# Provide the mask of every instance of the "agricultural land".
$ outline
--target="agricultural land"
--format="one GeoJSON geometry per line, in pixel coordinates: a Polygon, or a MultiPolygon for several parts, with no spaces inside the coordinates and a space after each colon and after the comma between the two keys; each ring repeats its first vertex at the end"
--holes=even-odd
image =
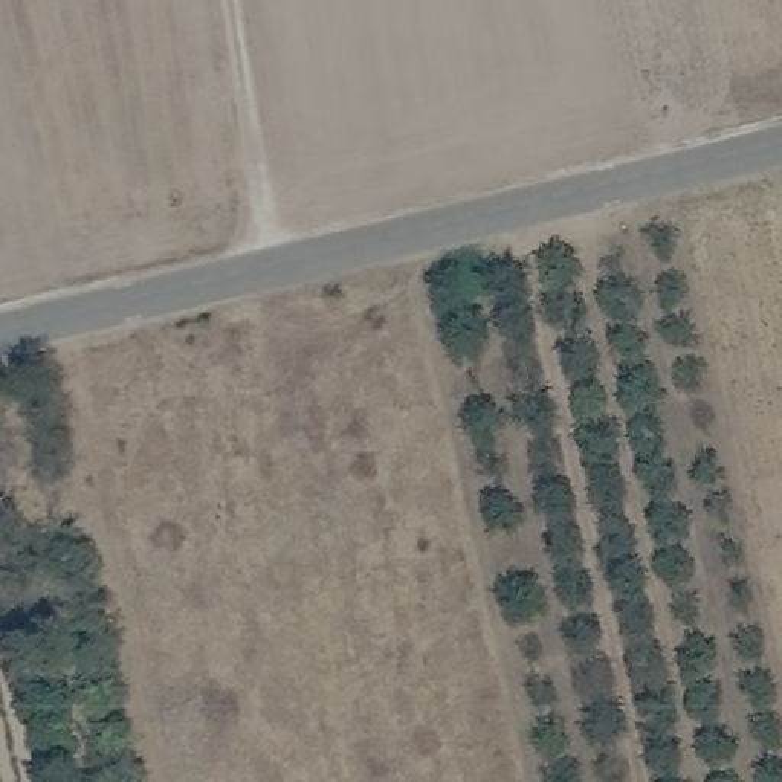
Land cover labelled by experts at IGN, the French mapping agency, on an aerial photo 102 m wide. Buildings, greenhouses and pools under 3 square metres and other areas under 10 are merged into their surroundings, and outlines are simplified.
{"type": "Polygon", "coordinates": [[[247,177],[238,165],[238,101],[229,79],[220,0],[0,0],[0,315],[107,287],[128,287],[134,281],[150,281],[229,260],[229,244],[247,235],[250,205],[247,177]]]}
{"type": "Polygon", "coordinates": [[[776,550],[761,550],[755,559],[745,556],[748,583],[758,580],[776,590],[776,599],[767,605],[770,620],[761,626],[764,629],[773,620],[782,626],[782,544],[776,550]]]}
{"type": "Polygon", "coordinates": [[[544,675],[556,687],[571,681],[568,645],[559,654],[541,654],[541,641],[535,632],[519,638],[510,623],[504,620],[501,605],[495,599],[495,583],[483,574],[477,559],[477,535],[486,528],[483,513],[467,510],[461,492],[455,434],[461,428],[461,425],[443,440],[434,431],[434,425],[443,425],[452,415],[440,391],[443,379],[437,370],[449,357],[437,333],[437,318],[431,312],[425,275],[409,284],[394,284],[391,290],[324,284],[324,296],[299,296],[275,309],[247,302],[241,296],[196,302],[186,309],[147,318],[125,318],[113,327],[55,339],[52,351],[61,364],[61,385],[70,394],[67,425],[73,437],[73,467],[61,480],[61,510],[73,516],[76,528],[89,535],[101,553],[107,614],[119,617],[119,672],[128,684],[125,715],[131,721],[131,745],[147,767],[147,782],[541,782],[541,755],[535,751],[528,736],[535,721],[532,706],[525,693],[528,675],[544,675]]]}
{"type": "Polygon", "coordinates": [[[278,223],[284,229],[293,229],[299,241],[357,226],[388,223],[473,199],[489,199],[574,174],[611,171],[654,156],[684,153],[693,147],[709,147],[782,125],[782,0],[241,0],[260,104],[260,125],[275,180],[275,211],[278,223]]]}
{"type": "Polygon", "coordinates": [[[742,428],[748,470],[773,470],[770,480],[758,483],[761,525],[764,532],[782,532],[782,165],[663,192],[675,205],[675,211],[684,211],[690,205],[687,235],[693,241],[696,272],[687,281],[687,287],[706,296],[706,305],[690,318],[696,336],[709,333],[715,339],[715,354],[706,360],[703,373],[721,388],[721,406],[715,409],[715,415],[724,409],[730,428],[742,428]]]}

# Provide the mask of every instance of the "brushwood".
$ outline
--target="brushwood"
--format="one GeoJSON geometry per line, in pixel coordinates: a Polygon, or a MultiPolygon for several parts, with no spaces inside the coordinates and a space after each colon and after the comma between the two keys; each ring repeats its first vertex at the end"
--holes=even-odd
{"type": "Polygon", "coordinates": [[[0,782],[31,782],[27,733],[15,715],[6,672],[0,669],[0,782]]]}

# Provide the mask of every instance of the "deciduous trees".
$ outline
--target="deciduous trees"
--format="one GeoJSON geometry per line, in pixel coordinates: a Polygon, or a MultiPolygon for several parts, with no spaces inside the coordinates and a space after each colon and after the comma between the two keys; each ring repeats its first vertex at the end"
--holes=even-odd
{"type": "Polygon", "coordinates": [[[761,626],[739,626],[736,632],[730,632],[736,654],[758,657],[764,651],[764,629],[761,626]]]}
{"type": "Polygon", "coordinates": [[[541,782],[580,782],[577,761],[568,755],[562,715],[547,715],[535,721],[528,736],[535,751],[541,755],[541,782]]]}
{"type": "Polygon", "coordinates": [[[507,461],[495,452],[495,431],[513,422],[528,425],[528,470],[535,480],[532,498],[535,510],[547,516],[544,547],[553,559],[556,593],[562,605],[587,602],[593,596],[590,574],[580,562],[583,556],[580,528],[574,519],[574,495],[568,477],[562,473],[562,452],[553,434],[556,406],[547,394],[541,360],[535,351],[525,269],[522,260],[516,260],[513,254],[480,254],[473,247],[461,247],[431,263],[425,275],[431,312],[437,318],[437,333],[449,357],[477,357],[483,354],[489,336],[504,336],[510,394],[498,400],[492,400],[492,394],[470,394],[461,403],[461,425],[461,428],[473,443],[480,470],[492,473],[507,461]]]}
{"type": "Polygon", "coordinates": [[[715,519],[727,519],[733,504],[730,489],[709,489],[703,507],[715,519]]]}
{"type": "Polygon", "coordinates": [[[486,507],[483,513],[486,528],[516,528],[522,522],[522,504],[513,495],[492,498],[492,507],[486,507]]]}
{"type": "Polygon", "coordinates": [[[669,257],[675,244],[672,226],[645,223],[641,232],[651,241],[654,254],[669,257]]]}
{"type": "Polygon", "coordinates": [[[715,449],[700,449],[690,461],[693,483],[718,480],[727,473],[715,449]]]}
{"type": "Polygon", "coordinates": [[[24,336],[9,348],[9,357],[0,360],[0,455],[12,452],[15,440],[24,434],[31,443],[31,477],[37,480],[37,486],[61,480],[73,467],[73,437],[67,425],[70,394],[61,385],[61,364],[52,351],[46,351],[40,339],[24,336]]]}
{"type": "Polygon", "coordinates": [[[623,663],[638,706],[638,733],[651,782],[684,782],[678,776],[681,758],[675,736],[672,687],[663,663],[663,648],[654,635],[654,611],[645,596],[645,577],[635,556],[635,532],[623,513],[617,437],[605,415],[605,388],[596,379],[599,354],[583,321],[583,299],[577,290],[580,260],[568,241],[550,238],[535,250],[541,266],[544,318],[556,330],[559,364],[568,379],[574,443],[580,449],[580,464],[587,470],[590,504],[599,513],[596,559],[605,568],[614,596],[614,614],[623,635],[623,663]]]}
{"type": "Polygon", "coordinates": [[[696,336],[690,318],[675,315],[675,302],[687,293],[687,287],[687,281],[681,272],[657,275],[657,324],[669,345],[690,345],[696,336]]]}
{"type": "Polygon", "coordinates": [[[525,693],[532,706],[553,703],[556,687],[544,675],[528,675],[525,693]]]}
{"type": "Polygon", "coordinates": [[[696,721],[693,745],[703,761],[733,758],[736,736],[727,733],[727,727],[718,721],[721,684],[712,678],[715,638],[700,632],[696,620],[696,590],[690,580],[693,559],[684,550],[690,516],[684,504],[672,501],[669,495],[675,486],[675,464],[663,452],[666,440],[657,406],[663,400],[663,388],[657,382],[654,364],[645,357],[648,339],[638,327],[641,290],[635,278],[623,275],[623,247],[611,247],[599,260],[596,299],[608,315],[608,342],[617,351],[617,403],[626,409],[629,446],[635,455],[632,464],[648,492],[645,516],[654,538],[654,571],[669,587],[672,617],[684,623],[684,641],[678,645],[678,669],[684,678],[684,709],[696,721]]]}
{"type": "Polygon", "coordinates": [[[617,751],[617,736],[623,733],[623,712],[614,696],[611,660],[599,645],[599,617],[565,617],[562,638],[568,645],[571,681],[583,706],[580,730],[596,751],[593,773],[599,782],[623,782],[626,761],[617,751]]]}
{"type": "Polygon", "coordinates": [[[544,590],[535,577],[495,583],[495,599],[501,605],[504,620],[510,623],[522,623],[547,608],[544,590]]]}
{"type": "Polygon", "coordinates": [[[128,684],[119,672],[119,617],[107,614],[101,553],[89,535],[76,528],[73,535],[46,532],[40,522],[21,516],[15,498],[6,489],[0,489],[0,583],[24,583],[34,602],[49,599],[55,611],[52,617],[37,617],[24,629],[12,629],[9,635],[0,632],[0,669],[6,672],[15,715],[27,733],[31,782],[147,782],[147,767],[131,745],[131,721],[125,715],[128,684]],[[70,703],[86,706],[89,718],[86,767],[79,767],[70,751],[70,703]]]}
{"type": "Polygon", "coordinates": [[[739,672],[739,690],[751,703],[748,727],[751,736],[761,742],[761,758],[755,761],[755,782],[782,782],[782,681],[776,684],[770,669],[739,672]]]}
{"type": "Polygon", "coordinates": [[[672,364],[672,376],[681,391],[700,388],[703,373],[706,360],[675,357],[672,364]]]}

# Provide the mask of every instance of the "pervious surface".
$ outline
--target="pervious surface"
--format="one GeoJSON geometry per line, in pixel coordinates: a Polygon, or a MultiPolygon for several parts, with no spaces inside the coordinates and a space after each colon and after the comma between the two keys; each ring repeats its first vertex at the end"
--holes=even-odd
{"type": "Polygon", "coordinates": [[[260,125],[260,104],[241,0],[220,0],[229,79],[238,101],[238,165],[247,177],[250,205],[247,235],[229,244],[229,260],[299,241],[293,229],[284,229],[278,223],[275,211],[275,180],[260,125]]]}

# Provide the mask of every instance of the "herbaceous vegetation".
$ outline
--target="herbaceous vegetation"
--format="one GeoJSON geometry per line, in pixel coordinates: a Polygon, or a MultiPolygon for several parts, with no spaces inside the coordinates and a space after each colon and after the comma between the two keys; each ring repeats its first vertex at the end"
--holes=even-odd
{"type": "Polygon", "coordinates": [[[55,611],[49,599],[34,602],[24,583],[0,583],[0,632],[9,635],[12,629],[24,629],[37,617],[52,617],[55,611]]]}
{"type": "Polygon", "coordinates": [[[61,480],[37,486],[37,480],[31,477],[31,443],[24,434],[15,440],[12,452],[0,455],[0,489],[6,489],[15,498],[21,516],[40,522],[46,532],[73,535],[76,528],[73,516],[61,510],[61,480]]]}
{"type": "Polygon", "coordinates": [[[687,287],[687,293],[675,302],[675,315],[690,318],[706,305],[706,296],[687,287]]]}
{"type": "Polygon", "coordinates": [[[599,782],[593,773],[596,751],[580,730],[583,706],[571,681],[556,687],[553,703],[532,706],[535,721],[547,715],[562,715],[568,755],[577,761],[580,782],[599,782]]]}
{"type": "Polygon", "coordinates": [[[89,718],[86,706],[70,703],[70,751],[79,767],[86,767],[89,718]]]}
{"type": "Polygon", "coordinates": [[[461,403],[470,394],[492,394],[492,400],[498,400],[510,394],[504,336],[489,336],[483,354],[477,357],[449,357],[437,370],[443,379],[440,391],[452,415],[443,425],[434,425],[434,431],[443,440],[461,425],[461,403]]]}
{"type": "Polygon", "coordinates": [[[544,318],[541,266],[535,250],[550,238],[568,241],[580,260],[577,290],[583,299],[583,321],[599,354],[596,379],[605,388],[605,415],[617,437],[623,513],[635,532],[635,556],[645,577],[645,596],[654,611],[654,635],[663,648],[663,663],[672,687],[675,736],[681,758],[678,776],[684,782],[755,782],[755,761],[761,758],[761,742],[751,736],[748,727],[751,703],[739,690],[739,672],[770,669],[776,684],[782,681],[782,626],[773,620],[764,629],[764,651],[758,657],[736,654],[730,632],[736,632],[739,626],[761,626],[770,620],[767,605],[776,599],[776,590],[758,580],[748,583],[745,556],[755,559],[761,550],[776,550],[782,544],[782,532],[764,532],[761,525],[758,483],[770,480],[773,470],[748,470],[742,428],[730,428],[724,409],[715,415],[715,409],[721,406],[721,388],[703,373],[700,388],[681,391],[672,376],[672,364],[675,357],[706,360],[715,354],[715,339],[709,333],[696,336],[690,345],[669,345],[657,324],[657,275],[681,272],[687,281],[696,272],[693,241],[687,235],[690,205],[684,211],[675,211],[675,205],[663,192],[641,196],[632,202],[608,202],[587,214],[544,220],[510,232],[464,238],[455,241],[452,250],[440,244],[403,257],[324,272],[293,284],[263,287],[241,296],[247,302],[275,309],[299,296],[324,296],[324,284],[391,290],[394,284],[409,284],[425,275],[431,263],[461,247],[473,247],[480,254],[513,254],[516,260],[522,260],[525,269],[535,351],[541,360],[547,394],[556,406],[553,434],[562,452],[562,473],[568,477],[574,495],[574,519],[580,528],[583,556],[580,562],[590,574],[593,596],[587,602],[562,605],[556,593],[553,559],[544,547],[547,516],[535,510],[532,498],[535,480],[528,470],[528,425],[513,422],[495,431],[495,452],[507,461],[492,473],[480,470],[473,443],[461,428],[455,434],[461,492],[467,510],[483,513],[486,507],[492,507],[492,498],[513,495],[522,504],[522,522],[516,528],[486,528],[477,535],[477,559],[483,574],[495,583],[535,577],[544,590],[547,608],[522,623],[510,623],[519,638],[535,632],[541,641],[541,654],[559,654],[568,645],[562,638],[565,617],[599,617],[599,645],[611,660],[614,696],[623,712],[623,733],[617,736],[617,751],[626,761],[623,782],[651,782],[638,733],[638,706],[623,663],[623,635],[614,614],[614,596],[605,568],[596,559],[599,513],[590,504],[587,470],[580,464],[580,449],[574,443],[568,379],[559,364],[556,330],[544,318]],[[675,244],[669,257],[654,254],[651,241],[641,232],[645,223],[672,226],[675,244]],[[663,400],[657,406],[666,440],[663,452],[675,464],[675,486],[669,495],[672,501],[684,504],[690,516],[684,550],[693,559],[690,580],[696,590],[696,620],[700,632],[715,638],[712,678],[721,684],[718,721],[727,727],[727,733],[736,736],[733,758],[703,761],[693,745],[696,721],[684,709],[684,678],[678,669],[678,645],[684,641],[684,623],[672,617],[669,587],[654,571],[654,538],[645,516],[648,492],[632,464],[635,455],[629,446],[626,409],[617,403],[617,351],[608,342],[608,315],[596,299],[599,260],[611,247],[623,247],[623,275],[635,278],[641,290],[638,327],[648,339],[645,357],[654,364],[657,382],[663,388],[663,400]],[[690,461],[700,449],[715,449],[727,473],[718,480],[693,483],[690,461]],[[703,507],[709,489],[730,489],[733,504],[727,519],[715,519],[703,507]]]}

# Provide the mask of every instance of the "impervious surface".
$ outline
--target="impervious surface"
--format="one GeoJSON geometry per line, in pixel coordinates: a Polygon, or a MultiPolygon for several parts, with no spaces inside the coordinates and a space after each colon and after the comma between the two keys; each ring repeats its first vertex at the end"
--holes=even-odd
{"type": "Polygon", "coordinates": [[[9,348],[24,336],[40,339],[46,351],[52,351],[55,339],[113,327],[125,318],[147,318],[186,309],[196,302],[241,296],[263,287],[293,284],[324,272],[403,257],[440,244],[452,250],[455,241],[464,238],[510,232],[544,220],[587,214],[608,202],[632,202],[641,196],[663,192],[782,165],[782,125],[709,147],[693,147],[684,153],[654,156],[611,171],[574,174],[489,199],[473,199],[388,223],[357,226],[299,241],[229,260],[150,281],[134,281],[128,287],[107,287],[0,315],[0,360],[9,357],[9,348]]]}

